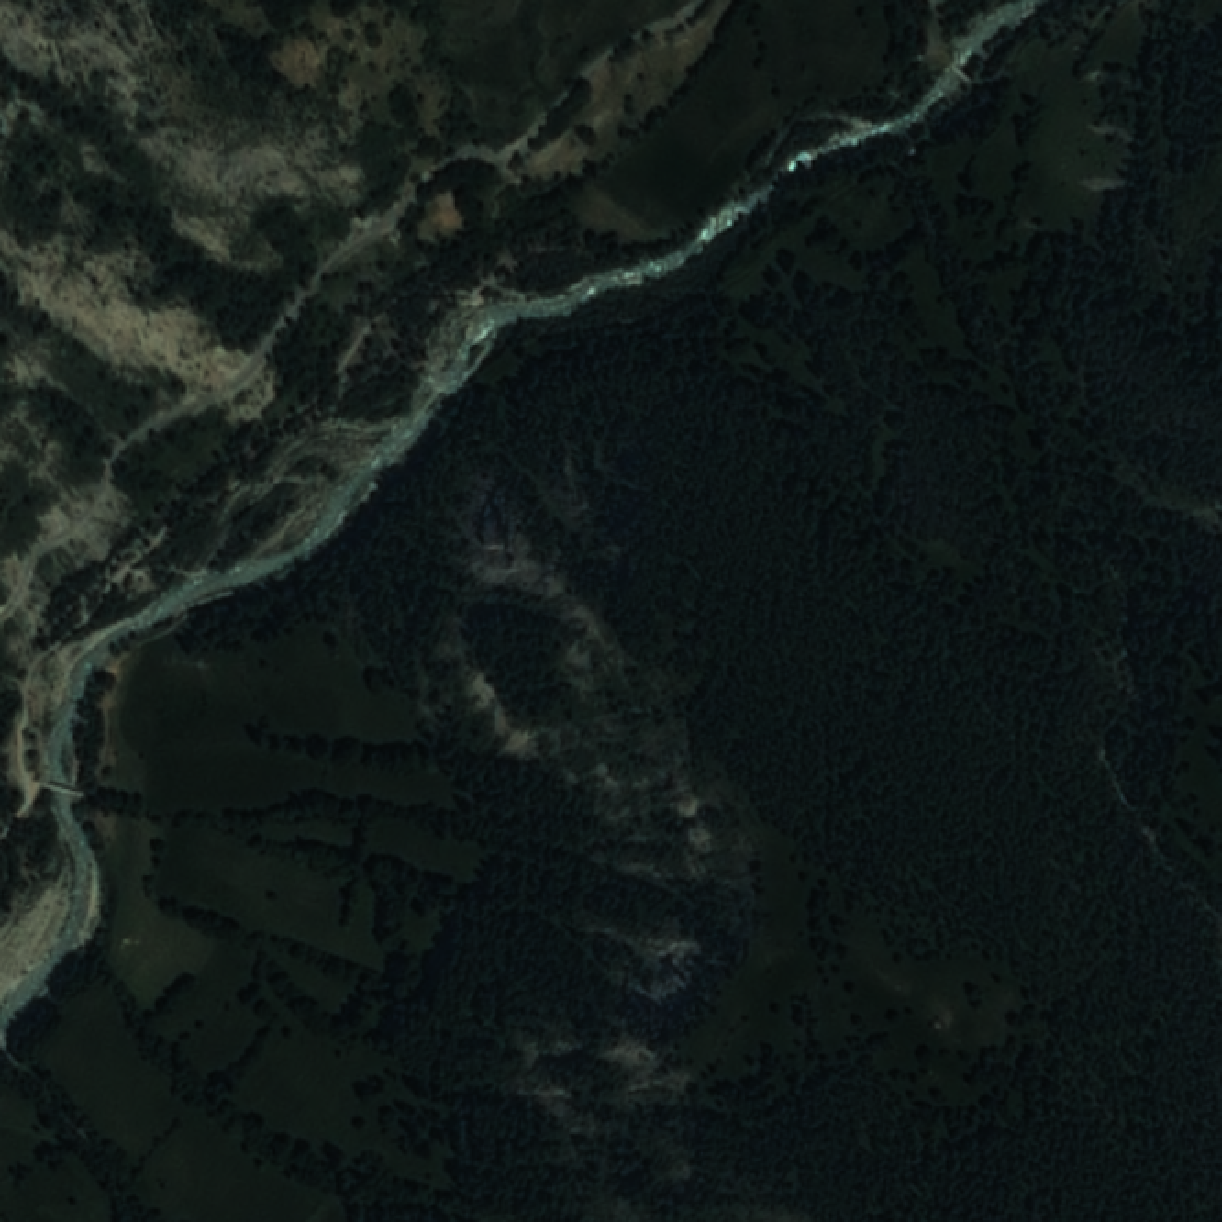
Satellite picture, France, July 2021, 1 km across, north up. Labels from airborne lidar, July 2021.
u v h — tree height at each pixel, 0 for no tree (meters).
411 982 23
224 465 9
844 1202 13
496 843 22
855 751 25
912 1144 21
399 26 0
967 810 22
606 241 10
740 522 25
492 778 18
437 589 13
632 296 6
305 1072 0
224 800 0
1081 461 17
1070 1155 12
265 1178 0
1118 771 14
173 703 0
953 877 25
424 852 0
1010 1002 0
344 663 0
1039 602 19
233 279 11
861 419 12
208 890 0
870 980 0
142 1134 0
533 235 9
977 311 27
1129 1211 11
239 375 0
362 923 0
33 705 0
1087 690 14
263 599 30
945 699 23
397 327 7
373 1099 12
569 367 17
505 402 8
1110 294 13
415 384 6
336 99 5
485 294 7
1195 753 0
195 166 0
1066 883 16
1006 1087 12
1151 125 14
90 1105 0
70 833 0
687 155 0
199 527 7
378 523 26
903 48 19
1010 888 25
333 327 16
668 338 14
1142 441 12
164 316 0
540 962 22
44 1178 0
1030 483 24
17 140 8
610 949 10
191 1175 0
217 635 13
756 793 10
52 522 0
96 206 9
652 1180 15
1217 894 22
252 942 9
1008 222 8
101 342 0
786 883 0
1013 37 11
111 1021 0
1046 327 13
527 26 6
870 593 28
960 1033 0
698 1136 7
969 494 19
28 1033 17
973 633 6
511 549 0
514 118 0
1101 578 33
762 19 9
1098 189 0
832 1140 16
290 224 19
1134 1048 17
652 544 22
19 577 0
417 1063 21
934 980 0
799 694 21
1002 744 25
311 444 0
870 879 14
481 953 28
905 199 9
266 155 0
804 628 23
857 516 15
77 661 0
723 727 18
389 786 0
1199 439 16
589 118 0
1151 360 17
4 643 0
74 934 0
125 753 0
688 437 24
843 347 21
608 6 0
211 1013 0
